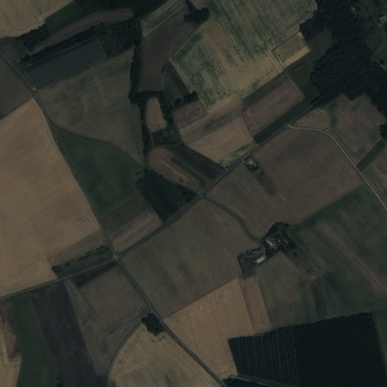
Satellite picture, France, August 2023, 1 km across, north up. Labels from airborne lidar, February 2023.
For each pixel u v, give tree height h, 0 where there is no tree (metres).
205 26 0
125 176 0
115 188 0
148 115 0
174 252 0
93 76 0
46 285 0
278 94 0
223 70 0
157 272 0
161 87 0
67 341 0
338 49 23
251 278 0
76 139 0
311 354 13
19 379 0
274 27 0
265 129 0
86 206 0
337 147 0
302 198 0
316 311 0
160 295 0
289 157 0
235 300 0
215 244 0
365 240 0
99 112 0
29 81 0
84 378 0
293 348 9
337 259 0
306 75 0
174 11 0
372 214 0
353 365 12
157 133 0
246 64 0
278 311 0
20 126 0
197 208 0
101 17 0
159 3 15
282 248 8
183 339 0
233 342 7
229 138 0
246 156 0
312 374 13
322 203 0
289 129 0
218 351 0
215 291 0
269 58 0
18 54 0
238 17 0
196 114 0
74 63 0
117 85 0
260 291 0
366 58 18
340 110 0
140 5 18
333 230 0
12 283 0
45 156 0
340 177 0
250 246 0
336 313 0
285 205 0
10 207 0
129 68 0
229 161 0
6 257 0
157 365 0
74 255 0
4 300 0
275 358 11
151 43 0
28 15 0
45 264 0
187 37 0
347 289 0
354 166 0
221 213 0
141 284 0
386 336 0
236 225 0
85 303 0
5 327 0
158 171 0
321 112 0
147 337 0
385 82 17
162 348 0
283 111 0
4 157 0
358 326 12
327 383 14
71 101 0
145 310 0
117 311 0
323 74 17
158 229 0
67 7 0
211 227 0
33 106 0
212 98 0
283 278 0
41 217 0
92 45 0
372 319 10
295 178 0
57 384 0
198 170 0
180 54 0
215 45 0
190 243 0
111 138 0
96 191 0
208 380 0
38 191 0
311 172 0
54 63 0
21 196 0
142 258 0
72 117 0
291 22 0
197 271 0
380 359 10
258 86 0
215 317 0
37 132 0
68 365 0
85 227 0
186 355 0
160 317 0
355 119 0
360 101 0
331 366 13
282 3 0
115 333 0
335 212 0
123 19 0
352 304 0
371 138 0
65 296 0
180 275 0
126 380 0
